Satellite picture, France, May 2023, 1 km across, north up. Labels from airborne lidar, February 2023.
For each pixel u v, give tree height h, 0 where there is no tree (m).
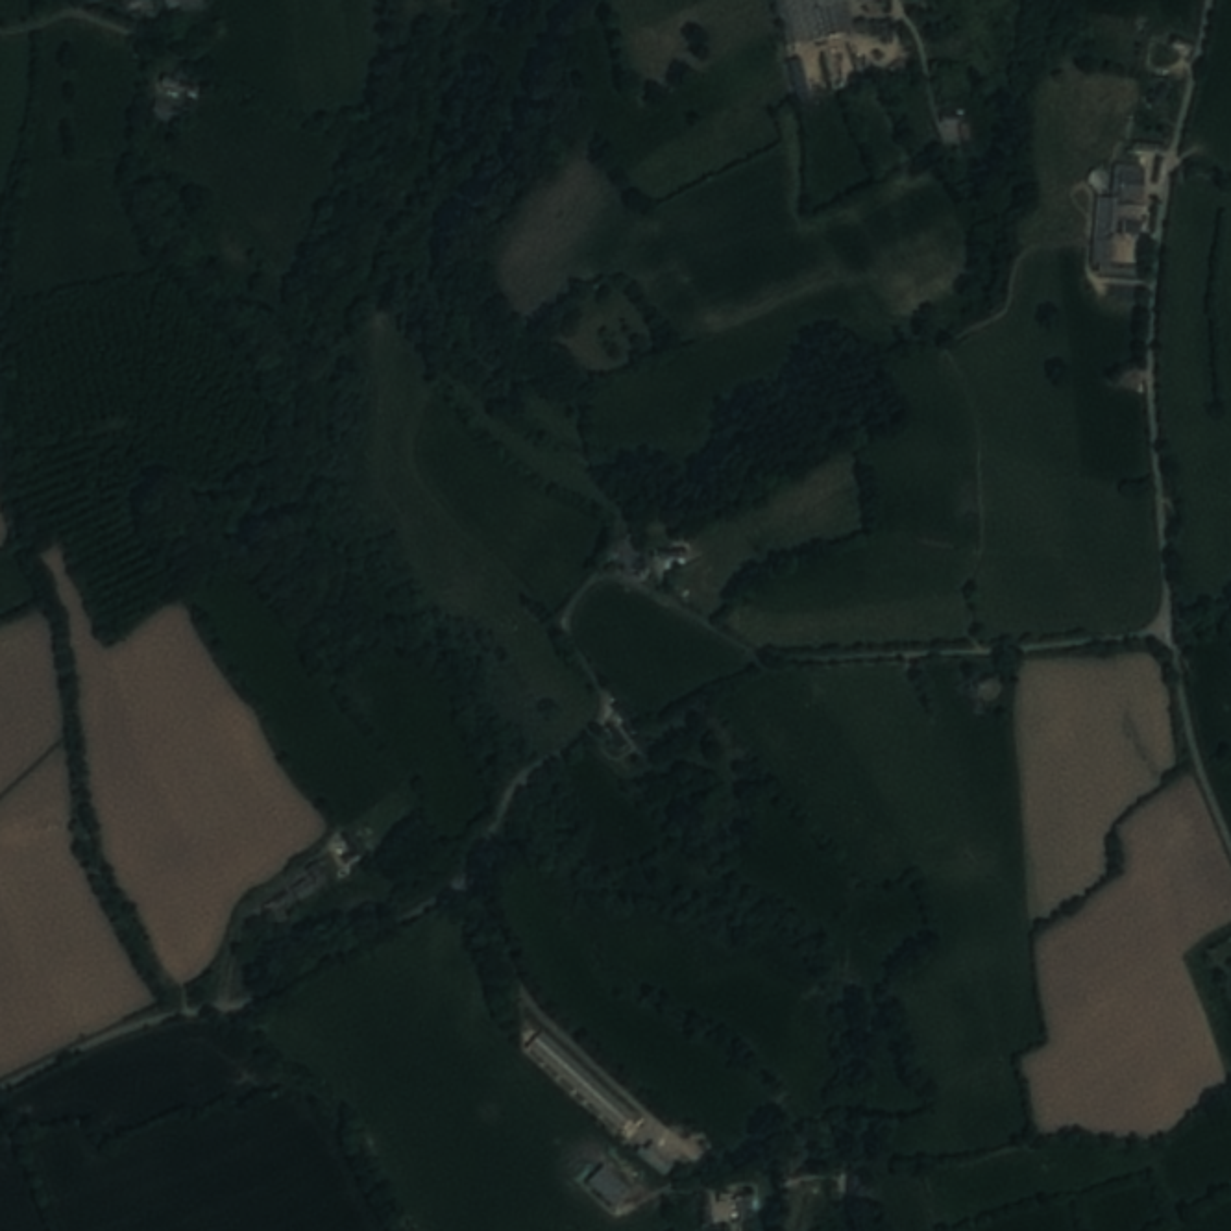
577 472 0
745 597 14
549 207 0
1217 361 7
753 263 0
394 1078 0
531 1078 0
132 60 0
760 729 0
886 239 0
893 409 33
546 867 14
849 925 0
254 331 25
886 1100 0
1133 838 0
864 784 0
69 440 6
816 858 0
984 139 0
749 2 0
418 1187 0
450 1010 0
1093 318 0
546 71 29
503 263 0
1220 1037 0
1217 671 0
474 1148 0
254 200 0
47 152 0
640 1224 0
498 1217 0
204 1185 0
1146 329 13
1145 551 0
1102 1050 0
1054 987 0
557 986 0
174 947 0
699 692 8
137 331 6
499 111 30
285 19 0
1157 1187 7
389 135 20
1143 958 0
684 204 0
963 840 0
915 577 0
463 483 0
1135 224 0
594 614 0
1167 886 0
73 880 0
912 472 0
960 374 0
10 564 0
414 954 0
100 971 0
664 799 16
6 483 12
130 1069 0
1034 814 0
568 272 0
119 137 0
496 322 18
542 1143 0
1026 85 10
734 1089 0
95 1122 11
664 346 19
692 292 0
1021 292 0
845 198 9
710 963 0
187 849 0
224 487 15
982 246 14
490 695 9
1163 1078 0
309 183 0
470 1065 0
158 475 25
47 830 0
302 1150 0
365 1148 15
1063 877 0
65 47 9
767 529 0
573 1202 0
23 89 0
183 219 22
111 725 0
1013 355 0
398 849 17
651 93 17
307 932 20
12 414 11
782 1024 0
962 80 0
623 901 13
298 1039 0
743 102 0
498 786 8
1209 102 0
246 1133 0
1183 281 0
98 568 7
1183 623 10
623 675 0
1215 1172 0
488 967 19
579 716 0
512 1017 9
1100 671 0
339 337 14
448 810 0
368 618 12
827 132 0
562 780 10
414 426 0
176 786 0
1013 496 0
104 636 13
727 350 0
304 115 6
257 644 0
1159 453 11
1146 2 0
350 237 23
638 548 12
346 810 0
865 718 0
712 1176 19
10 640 0
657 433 0
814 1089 0
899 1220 0
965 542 0
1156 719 0
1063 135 0
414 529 0
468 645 11
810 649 8
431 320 23
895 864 0
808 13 0
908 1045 14
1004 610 0
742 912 9
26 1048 0
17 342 10
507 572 0
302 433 25
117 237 0
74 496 7
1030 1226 0
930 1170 7
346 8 0
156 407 7
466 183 0
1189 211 0
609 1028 0
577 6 23
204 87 11
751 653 0
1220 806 0
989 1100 0
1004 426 0
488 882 33
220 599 0
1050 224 0
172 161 0
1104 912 0
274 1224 0
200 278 24
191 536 28
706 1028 10
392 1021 0
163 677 0
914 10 8
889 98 15
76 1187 0
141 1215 0
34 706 0
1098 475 0
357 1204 0
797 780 0
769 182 0
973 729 0
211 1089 0
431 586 0
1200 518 0
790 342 0
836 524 0
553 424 0
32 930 0
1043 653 0
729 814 0
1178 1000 0
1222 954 0
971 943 0
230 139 0
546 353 19
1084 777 0
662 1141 0
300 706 0
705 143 0
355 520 9
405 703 0
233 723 0
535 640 0
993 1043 0
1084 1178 0
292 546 27
